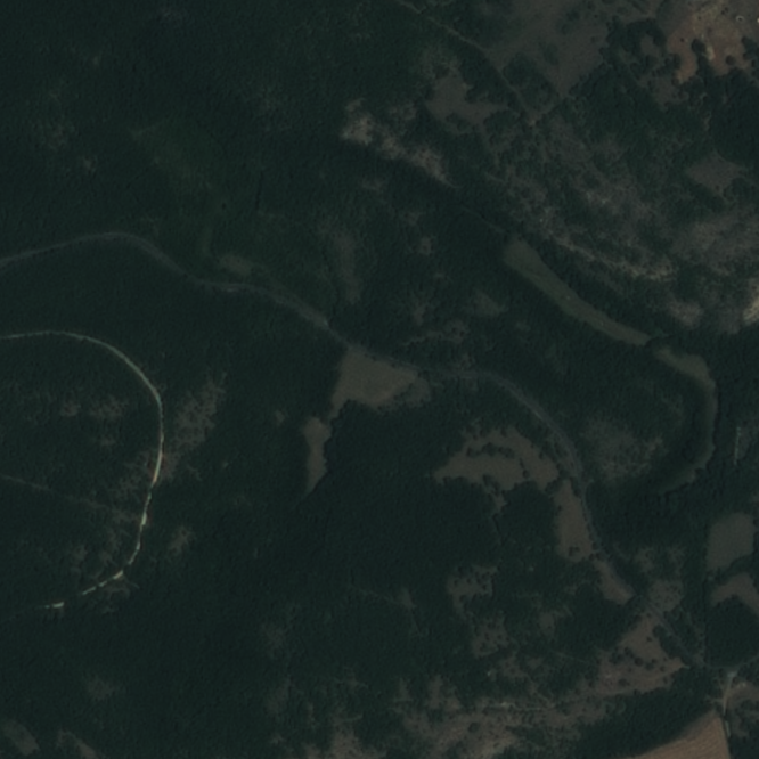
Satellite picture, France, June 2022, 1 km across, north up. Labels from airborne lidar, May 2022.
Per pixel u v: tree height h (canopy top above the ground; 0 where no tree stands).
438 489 12
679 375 15
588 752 11
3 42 11
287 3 9
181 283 14
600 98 12
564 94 0
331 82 6
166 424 7
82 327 10
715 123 9
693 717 10
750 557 7
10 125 6
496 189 7
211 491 8
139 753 7
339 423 14
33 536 9
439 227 11
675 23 0
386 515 12
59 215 8
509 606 9
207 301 9
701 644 8
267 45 7
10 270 7
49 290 10
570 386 10
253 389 9
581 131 7
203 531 14
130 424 6
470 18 12
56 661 10
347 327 13
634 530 16
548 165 8
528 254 0
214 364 7
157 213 11
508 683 6
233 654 8
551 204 7
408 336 11
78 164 6
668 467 9
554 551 7
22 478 9
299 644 8
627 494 8
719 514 10
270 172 9
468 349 10
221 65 8
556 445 8
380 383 0
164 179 9
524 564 8
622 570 9
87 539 8
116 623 14
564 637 8
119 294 8
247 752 9
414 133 9
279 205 8
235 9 11
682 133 7
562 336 6
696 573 8
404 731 6
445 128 8
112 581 7
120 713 8
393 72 7
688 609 10
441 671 8
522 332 7
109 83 12
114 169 10
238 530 15
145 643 16
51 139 6
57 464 7
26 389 8
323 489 19
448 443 10
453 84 0
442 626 10
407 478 9
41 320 10
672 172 6
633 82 9
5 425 8
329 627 8
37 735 12
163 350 7
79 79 9
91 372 6
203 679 8
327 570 14
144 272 10
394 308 7
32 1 13
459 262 11
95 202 10
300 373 10
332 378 17
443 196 12
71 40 6
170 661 13
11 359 10
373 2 7
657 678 0
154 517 7
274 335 8
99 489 8
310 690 7
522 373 11
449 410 10
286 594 9
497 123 7
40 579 12
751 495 7
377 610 12
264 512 8
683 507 13
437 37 6
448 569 12
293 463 11
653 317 12
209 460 8
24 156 13
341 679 7
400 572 12
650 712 9
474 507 14
